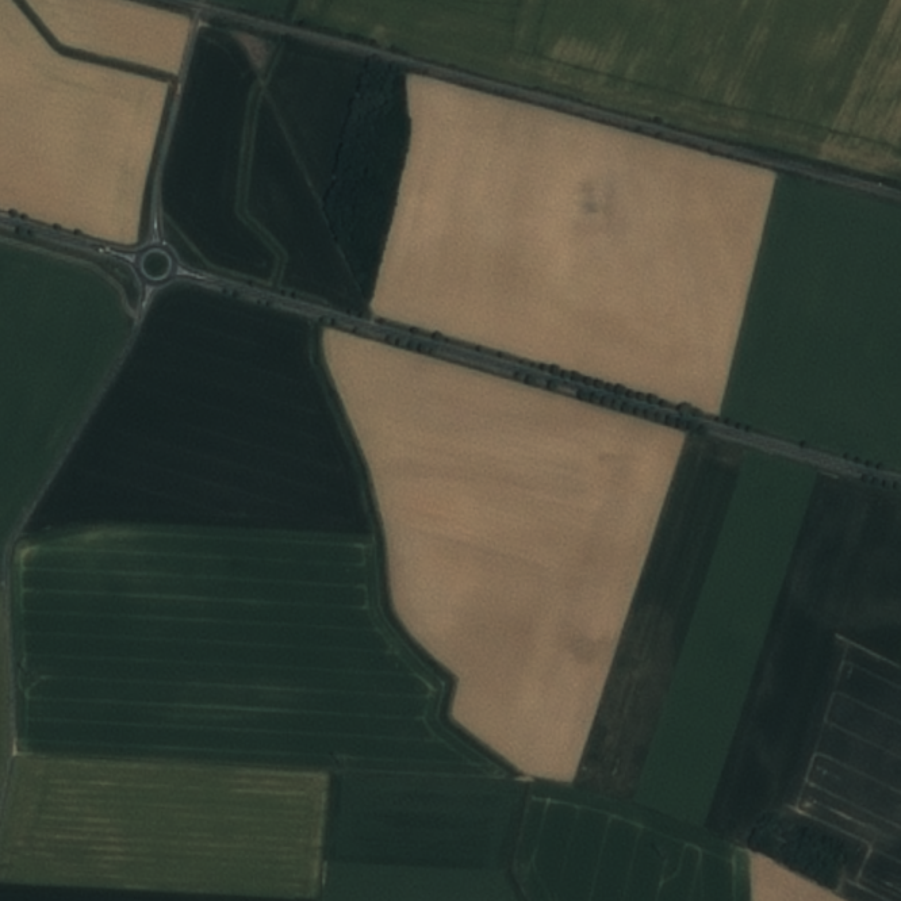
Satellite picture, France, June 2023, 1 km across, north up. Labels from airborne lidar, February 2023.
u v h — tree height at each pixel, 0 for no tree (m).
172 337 0
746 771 0
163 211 0
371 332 0
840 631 0
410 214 0
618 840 0
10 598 0
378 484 0
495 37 0
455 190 0
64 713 0
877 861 0
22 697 0
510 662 0
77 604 0
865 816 0
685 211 0
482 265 0
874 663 0
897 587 0
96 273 0
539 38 0
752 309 0
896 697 0
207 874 0
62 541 0
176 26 0
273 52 0
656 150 0
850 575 0
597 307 0
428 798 0
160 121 0
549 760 0
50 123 0
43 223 0
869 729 0
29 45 0
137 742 0
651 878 0
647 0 0
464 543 0
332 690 0
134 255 0
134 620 0
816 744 0
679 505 0
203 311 0
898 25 0
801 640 0
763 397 0
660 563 0
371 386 0
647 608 0
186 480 0
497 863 0
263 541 0
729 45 0
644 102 0
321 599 0
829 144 0
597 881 0
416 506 0
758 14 0
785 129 0
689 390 0
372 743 0
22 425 0
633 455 0
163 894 0
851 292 0
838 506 0
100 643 0
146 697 0
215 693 0
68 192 0
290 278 0
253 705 0
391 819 0
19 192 0
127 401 0
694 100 0
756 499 0
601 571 0
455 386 0
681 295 0
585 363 0
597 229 0
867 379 0
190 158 0
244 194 0
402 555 0
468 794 0
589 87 0
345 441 0
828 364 0
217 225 0
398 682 0
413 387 0
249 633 0
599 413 0
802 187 0
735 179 0
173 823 0
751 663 0
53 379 0
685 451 0
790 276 0
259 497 0
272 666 0
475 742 0
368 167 15
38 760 0
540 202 0
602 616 0
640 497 0
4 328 0
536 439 0
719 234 0
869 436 0
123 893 0
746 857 0
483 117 0
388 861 0
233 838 0
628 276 0
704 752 0
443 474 0
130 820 0
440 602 0
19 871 0
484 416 0
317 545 0
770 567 0
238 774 0
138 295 0
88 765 0
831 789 0
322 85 0
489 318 0
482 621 0
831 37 0
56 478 0
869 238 0
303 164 0
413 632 0
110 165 0
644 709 0
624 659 0
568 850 0
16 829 0
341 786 0
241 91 0
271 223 0
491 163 0
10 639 0
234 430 0
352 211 11
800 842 9
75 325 0
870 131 0
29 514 0
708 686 0
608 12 0
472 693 0
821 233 0
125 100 0
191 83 0
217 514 0
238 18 0
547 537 0
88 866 0
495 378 0
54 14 0
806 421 0
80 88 0
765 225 0
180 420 0
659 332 0
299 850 0
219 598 0
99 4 0
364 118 15
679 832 0
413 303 0
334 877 0
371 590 0
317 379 0
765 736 0
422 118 0
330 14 0
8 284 0
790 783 0
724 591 0
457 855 0
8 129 0
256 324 0
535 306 0
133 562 0
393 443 0
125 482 0
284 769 0
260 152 0
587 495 0
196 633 0
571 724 0
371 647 0
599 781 0
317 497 0
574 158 0
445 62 0
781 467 0
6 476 0
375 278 11
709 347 0
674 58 0
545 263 0
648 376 0
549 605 0
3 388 0
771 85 0
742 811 0
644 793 0
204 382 0
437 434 0
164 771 0
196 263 0
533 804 0
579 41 0
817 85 0
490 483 0
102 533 0
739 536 0
